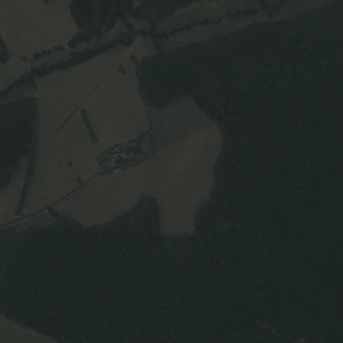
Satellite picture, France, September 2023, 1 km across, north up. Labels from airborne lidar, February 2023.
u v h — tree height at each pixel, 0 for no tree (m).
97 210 0
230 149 14
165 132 0
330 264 24
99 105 0
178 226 0
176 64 23
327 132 27
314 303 21
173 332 16
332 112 24
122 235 22
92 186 0
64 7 0
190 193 0
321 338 17
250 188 24
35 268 19
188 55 22
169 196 0
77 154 0
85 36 19
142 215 22
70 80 0
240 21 0
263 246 19
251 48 19
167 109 0
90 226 0
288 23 16
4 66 0
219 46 20
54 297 26
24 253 20
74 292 23
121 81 0
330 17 24
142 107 0
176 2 23
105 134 0
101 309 22
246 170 25
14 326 0
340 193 25
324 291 18
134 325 21
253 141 20
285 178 25
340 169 23
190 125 0
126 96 0
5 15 0
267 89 21
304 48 25
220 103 14
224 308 23
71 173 0
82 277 23
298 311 16
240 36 17
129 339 22
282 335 22
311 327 17
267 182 24
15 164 18
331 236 22
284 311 23
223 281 13
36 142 16
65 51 0
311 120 24
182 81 22
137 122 0
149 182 0
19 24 0
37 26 0
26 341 0
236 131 20
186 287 16
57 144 0
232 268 24
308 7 0
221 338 20
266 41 20
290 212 24
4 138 22
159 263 23
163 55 18
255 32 21
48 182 0
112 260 24
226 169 21
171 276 22
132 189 0
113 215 0
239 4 0
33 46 0
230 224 22
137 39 0
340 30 19
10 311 21
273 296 23
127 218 16
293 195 22
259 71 18
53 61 0
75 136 0
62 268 24
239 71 19
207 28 0
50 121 0
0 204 0
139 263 22
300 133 27
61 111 0
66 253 23
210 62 22
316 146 24
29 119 20
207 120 0
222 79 20
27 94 0
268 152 24
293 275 25
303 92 24
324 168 27
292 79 23
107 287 25
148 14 17
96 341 14
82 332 14
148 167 0
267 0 0
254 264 23
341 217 24
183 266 21
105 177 0
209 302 16
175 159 0
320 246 22
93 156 0
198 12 0
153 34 21
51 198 0
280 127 23
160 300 16
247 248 23
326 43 22
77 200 0
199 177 0
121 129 0
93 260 24
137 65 18
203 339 19
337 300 18
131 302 22
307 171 22
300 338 17
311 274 23
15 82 12
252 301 25
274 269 20
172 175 0
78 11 21
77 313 23
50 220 0
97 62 0
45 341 0
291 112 27
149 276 24
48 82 0
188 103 0
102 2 21
